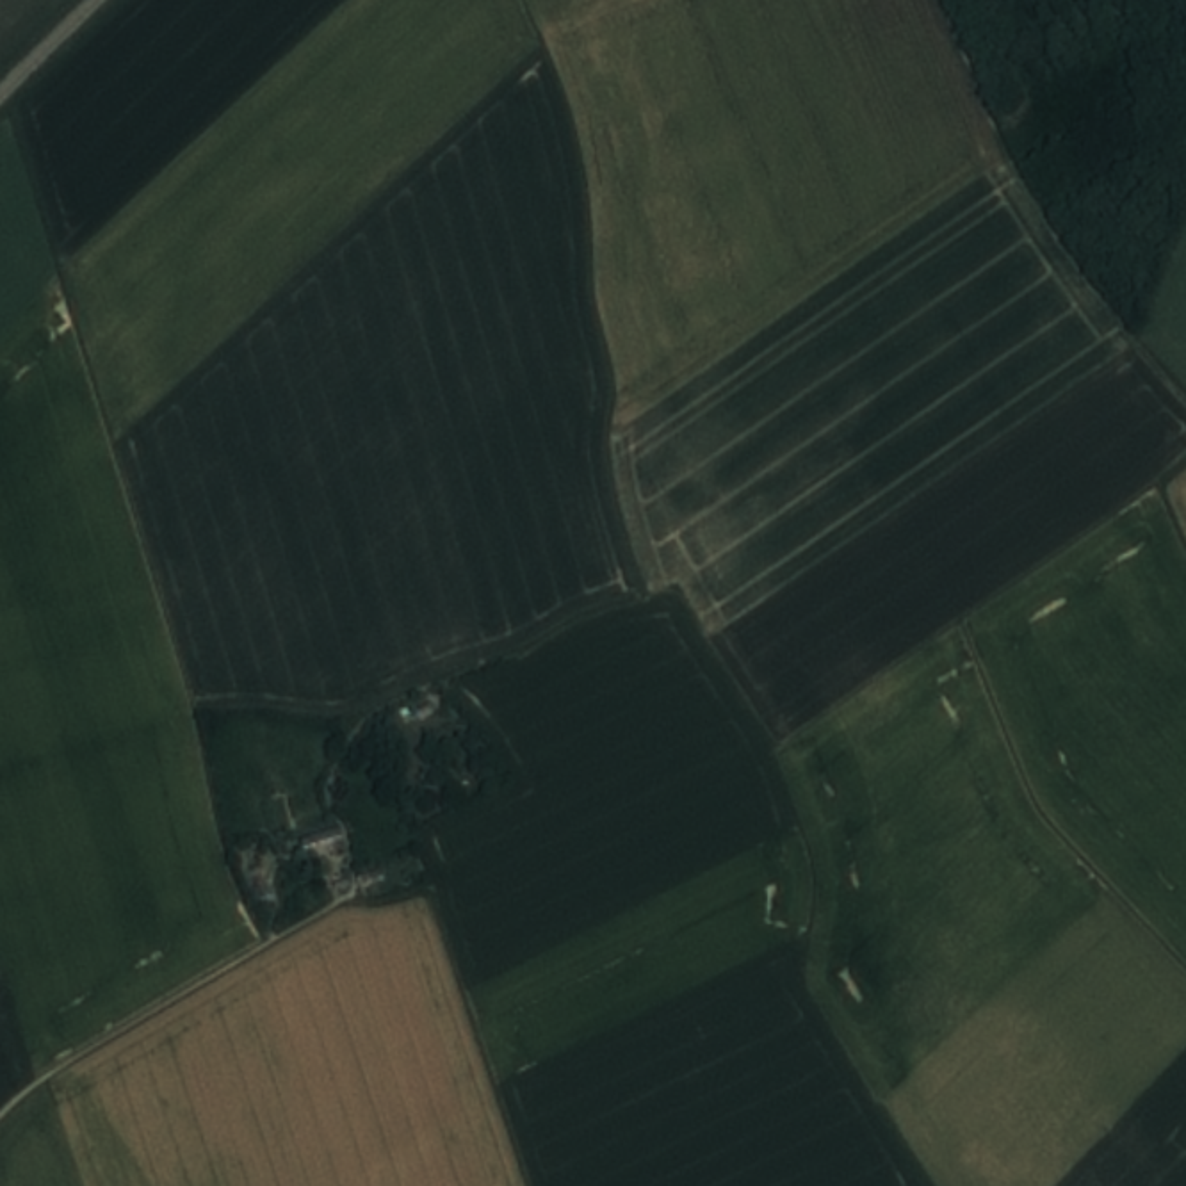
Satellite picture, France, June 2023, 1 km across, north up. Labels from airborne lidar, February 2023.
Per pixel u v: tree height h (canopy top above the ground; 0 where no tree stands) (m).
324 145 0
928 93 0
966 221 0
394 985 0
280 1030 0
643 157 0
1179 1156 0
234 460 0
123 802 0
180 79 0
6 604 0
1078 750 0
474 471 0
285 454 0
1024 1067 0
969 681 0
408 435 0
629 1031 0
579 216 0
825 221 0
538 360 0
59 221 0
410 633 0
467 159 0
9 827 0
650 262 0
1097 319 0
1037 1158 0
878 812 0
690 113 0
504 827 0
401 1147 0
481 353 0
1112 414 0
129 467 0
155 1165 0
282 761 0
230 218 0
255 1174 0
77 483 0
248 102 0
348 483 0
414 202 0
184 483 0
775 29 0
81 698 0
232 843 7
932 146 0
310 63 0
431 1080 0
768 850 0
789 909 0
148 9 0
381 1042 0
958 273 0
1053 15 19
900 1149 0
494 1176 0
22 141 0
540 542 0
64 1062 0
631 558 0
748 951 0
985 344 0
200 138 0
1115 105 8
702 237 0
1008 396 0
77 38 0
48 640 0
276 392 0
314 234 0
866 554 0
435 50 0
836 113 0
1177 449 0
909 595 0
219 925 0
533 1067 0
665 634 0
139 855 0
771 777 0
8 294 0
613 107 0
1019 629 0
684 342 0
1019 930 0
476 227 0
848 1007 0
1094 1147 0
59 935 0
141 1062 0
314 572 0
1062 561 0
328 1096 0
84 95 0
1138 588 0
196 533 0
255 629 0
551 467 0
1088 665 0
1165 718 0
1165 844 0
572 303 0
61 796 0
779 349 0
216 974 0
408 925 0
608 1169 0
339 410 0
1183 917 0
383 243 0
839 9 0
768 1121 0
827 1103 0
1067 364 0
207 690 0
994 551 0
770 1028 0
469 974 0
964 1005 0
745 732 0
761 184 0
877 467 0
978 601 0
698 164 0
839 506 0
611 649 0
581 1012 0
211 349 0
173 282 0
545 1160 0
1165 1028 0
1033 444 0
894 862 0
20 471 0
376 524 0
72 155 0
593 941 0
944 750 0
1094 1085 0
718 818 0
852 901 0
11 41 0
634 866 0
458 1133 0
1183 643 0
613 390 0
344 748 16
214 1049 0
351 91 0
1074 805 0
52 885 0
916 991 0
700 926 0
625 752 0
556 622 0
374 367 0
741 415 0
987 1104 0
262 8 0
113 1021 0
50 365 0
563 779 0
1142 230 22
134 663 0
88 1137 0
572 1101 0
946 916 0
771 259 0
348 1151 0
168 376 0
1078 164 11
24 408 0
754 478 0
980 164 0
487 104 0
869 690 0
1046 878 0
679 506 0
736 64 0
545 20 0
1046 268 0
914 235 0
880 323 0
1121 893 0
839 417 0
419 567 0
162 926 0
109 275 0
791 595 0
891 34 0
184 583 0
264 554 0
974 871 0
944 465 0
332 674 0
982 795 0
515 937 0
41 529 0
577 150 0
